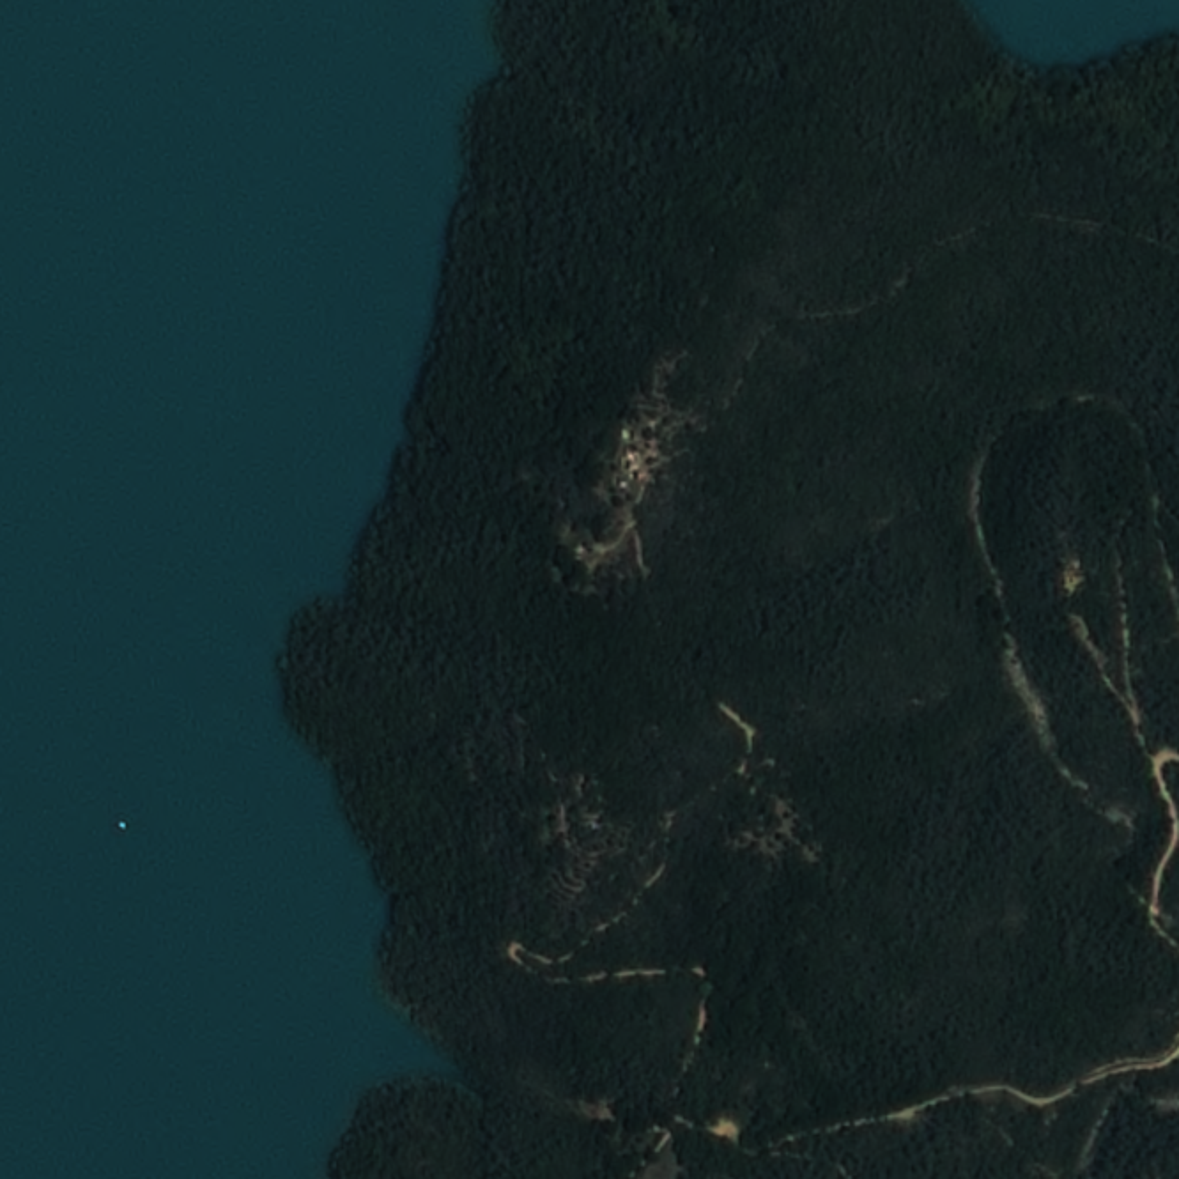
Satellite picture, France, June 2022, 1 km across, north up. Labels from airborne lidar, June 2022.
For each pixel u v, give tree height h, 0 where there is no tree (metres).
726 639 15
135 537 0
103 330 0
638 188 18
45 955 0
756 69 12
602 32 11
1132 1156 16
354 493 0
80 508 0
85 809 0
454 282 12
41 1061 0
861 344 13
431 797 14
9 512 0
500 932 12
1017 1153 7
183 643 0
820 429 8
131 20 0
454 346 17
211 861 0
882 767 12
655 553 8
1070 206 10
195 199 0
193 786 0
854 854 8
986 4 0
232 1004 0
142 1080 0
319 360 0
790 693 7
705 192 19
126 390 0
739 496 10
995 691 7
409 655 20
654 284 15
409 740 11
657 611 9
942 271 10
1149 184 8
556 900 11
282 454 0
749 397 7
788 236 6
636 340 16
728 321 12
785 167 10
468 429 18
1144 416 10
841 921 9
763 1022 16
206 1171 0
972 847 10
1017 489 12
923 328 12
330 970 0
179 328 0
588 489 16
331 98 0
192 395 0
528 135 13
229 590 0
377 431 0
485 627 13
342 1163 10
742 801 14
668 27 16
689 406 8
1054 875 9
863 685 6
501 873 12
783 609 20
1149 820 7
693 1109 11
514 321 17
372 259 0
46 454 0
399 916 12
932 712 7
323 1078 0
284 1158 0
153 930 0
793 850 11
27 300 0
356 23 0
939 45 14
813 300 7
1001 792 10
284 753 0
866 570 16
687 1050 11
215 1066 0
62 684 0
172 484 0
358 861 0
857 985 8
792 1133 16
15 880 0
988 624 9
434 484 15
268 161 0
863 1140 19
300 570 0
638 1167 10
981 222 9
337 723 12
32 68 0
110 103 0
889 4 10
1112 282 10
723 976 16
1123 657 15
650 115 13
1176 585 9
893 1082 10
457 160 0
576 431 16
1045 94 13
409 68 0
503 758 12
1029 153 9
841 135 9
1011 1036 8
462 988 12
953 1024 15
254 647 0
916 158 15
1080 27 0
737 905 7
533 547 19
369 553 18
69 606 0
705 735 7
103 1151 0
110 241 0
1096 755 6
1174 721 19
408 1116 17
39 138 0
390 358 0
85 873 0
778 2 14
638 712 8
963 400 8
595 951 11
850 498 12
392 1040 0
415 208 0
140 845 0
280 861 0
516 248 14
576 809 10
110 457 0
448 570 14
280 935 0
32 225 0
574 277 14
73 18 0
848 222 6
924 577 5
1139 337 7
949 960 7
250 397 0
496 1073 11
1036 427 8
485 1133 22
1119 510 18
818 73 11
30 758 0
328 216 0
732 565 9
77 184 0
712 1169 9
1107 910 13
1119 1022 8
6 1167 0
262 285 0
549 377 16
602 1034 9
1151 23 0
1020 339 9
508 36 6
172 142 0
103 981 0
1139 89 13
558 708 12
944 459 15
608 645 15
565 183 14
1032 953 9
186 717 0
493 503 14
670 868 9
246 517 0
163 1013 0
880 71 11
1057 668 8
